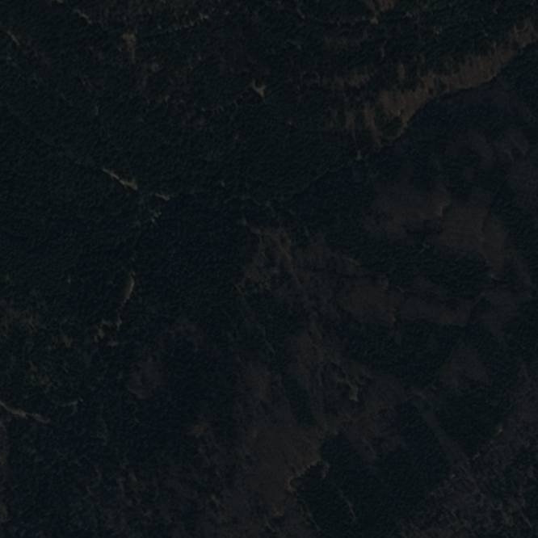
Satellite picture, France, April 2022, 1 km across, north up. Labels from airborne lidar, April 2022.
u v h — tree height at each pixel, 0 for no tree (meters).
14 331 9
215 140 24
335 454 18
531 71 25
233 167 29
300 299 18
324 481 6
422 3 12
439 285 17
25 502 23
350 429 15
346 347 13
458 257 24
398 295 12
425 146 20
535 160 15
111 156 22
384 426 9
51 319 10
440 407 17
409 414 25
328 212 20
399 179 15
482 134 16
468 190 21
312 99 22
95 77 27
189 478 19
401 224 14
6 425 26
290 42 9
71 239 30
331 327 16
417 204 19
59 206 24
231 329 23
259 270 9
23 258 32
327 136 21
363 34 21
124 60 29
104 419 17
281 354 17
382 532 18
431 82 19
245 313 14
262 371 18
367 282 18
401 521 13
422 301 16
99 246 26
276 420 20
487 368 16
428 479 14
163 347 14
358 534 8
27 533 15
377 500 16
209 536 18
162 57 26
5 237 25
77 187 22
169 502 19
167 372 14
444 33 25
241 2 17
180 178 24
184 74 20
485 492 11
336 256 12
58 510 21
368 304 13
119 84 26
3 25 17
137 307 11
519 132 17
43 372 16
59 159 25
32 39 21
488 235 14
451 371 14
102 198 34
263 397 16
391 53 24
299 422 14
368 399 18
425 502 13
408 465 17
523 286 17
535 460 24
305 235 16
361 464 14
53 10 21
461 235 17
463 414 14
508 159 18
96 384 10
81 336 22
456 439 16
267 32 18
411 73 17
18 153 23
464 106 13
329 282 18
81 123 27
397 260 22
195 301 20
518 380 20
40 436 16
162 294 23
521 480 10
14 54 28
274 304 17
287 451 18
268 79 19
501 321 18
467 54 16
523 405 15
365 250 25
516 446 10
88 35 14
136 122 26
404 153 14
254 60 20
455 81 14
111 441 18
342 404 20
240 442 17
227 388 19
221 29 23
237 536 18
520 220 22
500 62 18
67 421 18
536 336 19
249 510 21
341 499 8
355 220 18
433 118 19
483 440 14
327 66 15
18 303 11
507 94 14
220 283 25
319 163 29
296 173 22
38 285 29
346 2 19
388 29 18
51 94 19
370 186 13
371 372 18
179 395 25
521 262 16
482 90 13
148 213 27
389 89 20
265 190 28
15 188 26
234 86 24
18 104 27
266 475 18
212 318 20
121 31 19
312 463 7
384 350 12
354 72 16
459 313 17
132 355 23
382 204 16
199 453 19
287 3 14
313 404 13
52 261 22
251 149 25
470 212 15
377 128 8
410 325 20
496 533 12
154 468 23
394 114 11
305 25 9
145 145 23
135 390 16
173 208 17
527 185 19
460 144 14
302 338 21
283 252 14
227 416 16
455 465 19
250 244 26
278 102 20
